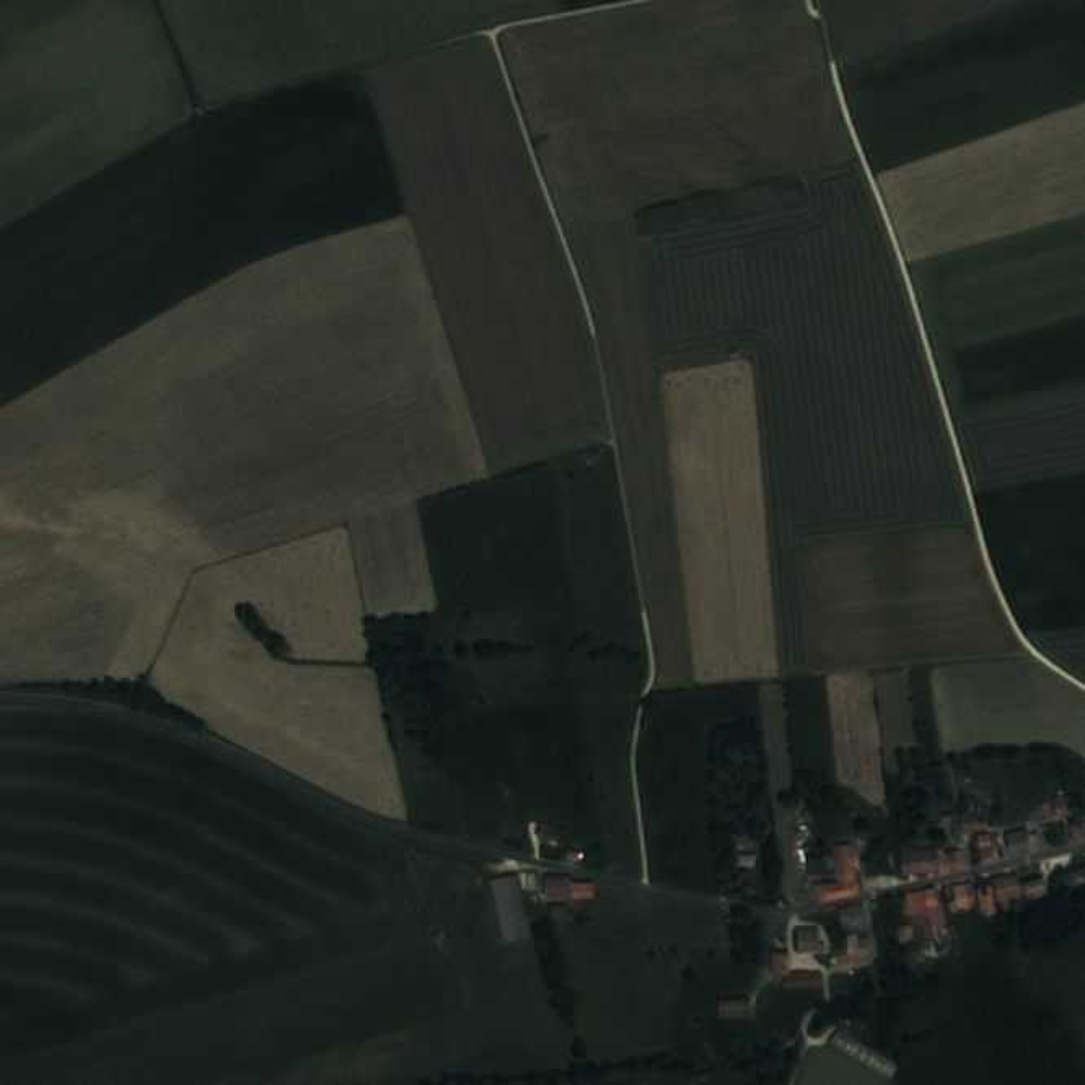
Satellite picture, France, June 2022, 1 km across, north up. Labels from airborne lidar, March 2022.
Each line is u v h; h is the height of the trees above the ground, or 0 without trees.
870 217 0
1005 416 0
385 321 0
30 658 0
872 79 0
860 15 0
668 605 0
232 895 0
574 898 0
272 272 0
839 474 0
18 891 0
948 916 0
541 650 0
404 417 0
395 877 0
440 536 0
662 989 0
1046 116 0
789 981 0
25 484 0
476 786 0
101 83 0
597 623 0
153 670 0
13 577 0
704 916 0
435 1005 0
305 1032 0
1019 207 0
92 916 0
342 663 0
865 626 0
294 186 0
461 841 0
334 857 0
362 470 0
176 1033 0
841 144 0
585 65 0
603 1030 0
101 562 0
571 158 0
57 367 0
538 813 0
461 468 0
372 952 0
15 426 0
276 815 0
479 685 0
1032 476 0
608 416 0
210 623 0
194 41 0
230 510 0
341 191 0
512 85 0
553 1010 0
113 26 0
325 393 0
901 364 0
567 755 0
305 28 0
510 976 0
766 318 0
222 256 0
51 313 0
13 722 0
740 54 0
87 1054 0
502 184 0
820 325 0
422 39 0
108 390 0
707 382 0
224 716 0
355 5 0
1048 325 0
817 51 0
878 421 0
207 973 0
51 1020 0
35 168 0
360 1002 0
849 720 0
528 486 0
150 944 0
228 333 0
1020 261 0
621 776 0
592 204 0
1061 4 0
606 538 0
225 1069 0
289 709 0
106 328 0
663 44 0
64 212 0
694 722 0
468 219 0
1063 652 0
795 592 0
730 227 0
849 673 0
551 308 0
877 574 0
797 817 0
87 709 0
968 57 0
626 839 0
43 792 0
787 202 0
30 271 0
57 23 0
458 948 0
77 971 0
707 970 0
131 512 0
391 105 0
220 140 0
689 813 0
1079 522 0
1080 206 0
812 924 0
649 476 0
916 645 0
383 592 0
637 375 0
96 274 0
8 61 0
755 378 0
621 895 0
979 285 0
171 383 0
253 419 0
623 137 0
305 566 0
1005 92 0
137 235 0
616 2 0
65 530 0
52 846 0
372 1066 0
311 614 0
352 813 0
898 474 0
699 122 0
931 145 0
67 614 0
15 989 0
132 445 0
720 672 0
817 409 0
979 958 0
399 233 0
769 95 0
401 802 0
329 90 0
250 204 0
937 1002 0
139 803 0
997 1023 0
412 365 0
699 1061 0
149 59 0
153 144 0
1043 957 0
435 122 0
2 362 0
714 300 0
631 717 0
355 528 0
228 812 0
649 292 0
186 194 0
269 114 0
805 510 0
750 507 0
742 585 0
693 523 0
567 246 0
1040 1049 0
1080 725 0
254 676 0
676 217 0
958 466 0
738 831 14
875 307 0
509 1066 0
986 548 0
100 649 0
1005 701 0
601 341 0
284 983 0
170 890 0
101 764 0
